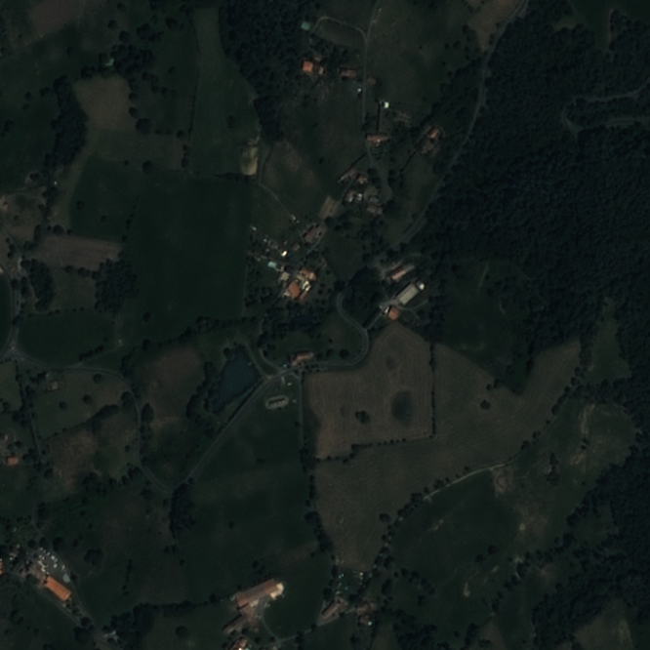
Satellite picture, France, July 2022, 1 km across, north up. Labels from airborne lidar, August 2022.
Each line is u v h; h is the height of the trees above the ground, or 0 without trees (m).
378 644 0
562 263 28
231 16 21
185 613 17
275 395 0
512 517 0
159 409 0
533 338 14
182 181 0
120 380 0
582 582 10
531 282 8
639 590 19
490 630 0
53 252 0
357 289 28
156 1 21
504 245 25
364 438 0
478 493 0
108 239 0
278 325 9
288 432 0
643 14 0
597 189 14
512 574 0
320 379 0
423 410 0
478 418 0
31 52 0
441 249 6
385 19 0
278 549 0
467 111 14
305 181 0
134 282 14
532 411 0
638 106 19
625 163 24
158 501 0
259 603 0
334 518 0
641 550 19
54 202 12
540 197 27
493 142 23
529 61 18
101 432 0
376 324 0
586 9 0
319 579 0
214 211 0
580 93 16
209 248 0
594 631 0
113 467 0
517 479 0
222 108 0
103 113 0
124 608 0
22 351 0
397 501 0
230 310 0
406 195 0
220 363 0
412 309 0
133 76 11
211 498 0
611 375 0
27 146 0
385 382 0
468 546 0
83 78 11
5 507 0
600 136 25
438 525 0
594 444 0
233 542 0
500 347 0
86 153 0
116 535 0
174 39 0
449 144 9
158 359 0
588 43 15
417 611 0
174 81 0
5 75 0
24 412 12
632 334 21
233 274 0
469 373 0
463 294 0
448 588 0
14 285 14
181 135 14
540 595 0
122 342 0
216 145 0
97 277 14
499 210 30
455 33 0
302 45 0
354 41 0
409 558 0
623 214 9
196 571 0
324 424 0
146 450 10
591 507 14
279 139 12
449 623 0
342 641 0
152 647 0
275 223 0
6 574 9
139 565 0
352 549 0
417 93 0
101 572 0
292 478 0
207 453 0
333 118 0
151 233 0
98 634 0
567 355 0
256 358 0
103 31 0
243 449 0
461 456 0
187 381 0
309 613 0
